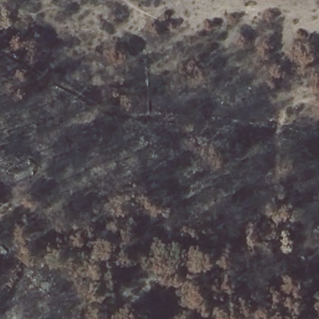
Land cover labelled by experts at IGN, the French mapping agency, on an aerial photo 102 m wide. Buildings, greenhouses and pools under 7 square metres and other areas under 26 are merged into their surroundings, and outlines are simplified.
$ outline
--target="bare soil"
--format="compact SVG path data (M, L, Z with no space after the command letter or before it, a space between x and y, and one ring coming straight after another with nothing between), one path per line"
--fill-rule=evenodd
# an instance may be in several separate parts
M314 250L309 257L300 255L300 258L293 259L294 265L290 269L300 274L300 283L312 279L310 287L319 287L319 121L300 113L303 111L303 103L315 101L313 87L299 86L292 90L290 80L298 70L298 64L290 61L287 55L292 51L293 40L297 37L309 42L314 61L305 67L315 67L315 72L319 76L319 0L0 0L0 77L7 80L10 74L14 74L32 92L31 96L26 97L24 101L19 100L19 103L14 105L7 93L0 90L0 218L9 216L16 207L24 206L31 212L34 211L37 217L46 218L47 224L55 226L61 218L74 217L79 212L92 213L98 204L105 206L110 201L107 196L111 193L111 184L127 186L137 182L145 183L148 202L152 206L169 209L169 216L164 218L166 231L171 231L177 226L206 226L213 229L212 239L221 238L223 229L232 224L240 226L249 222L253 214L267 204L272 207L273 212L278 212L284 207L288 214L292 214L290 222L299 222L304 226L304 248ZM103 56L103 47L110 44L116 45L115 60L118 60L118 55L127 55L122 64L115 69L112 62Z

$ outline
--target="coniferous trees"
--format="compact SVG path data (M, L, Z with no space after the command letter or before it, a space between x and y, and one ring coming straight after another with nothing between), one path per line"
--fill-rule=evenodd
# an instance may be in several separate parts
M14 105L19 103L19 100L24 101L26 97L31 96L32 92L14 74L10 74L7 80L0 77L0 90L7 93Z
M309 42L297 37L293 40L292 51L287 55L290 61L298 64L298 70L290 80L292 90L299 86L313 87L315 101L303 103L303 111L300 113L319 121L319 76L315 72L315 67L305 67L314 61Z
M111 184L111 193L107 196L110 201L105 206L98 204L92 213L79 212L74 217L61 218L55 226L47 224L46 218L37 217L34 211L31 212L24 206L16 207L9 216L0 218L0 319L319 319L319 287L310 287L312 279L300 283L300 274L290 269L294 265L293 259L300 258L300 255L309 257L314 250L304 248L304 226L299 222L290 222L292 214L288 214L284 207L278 212L273 212L272 207L267 204L253 214L249 222L240 226L232 224L223 229L221 238L212 239L213 229L206 226L177 226L171 231L166 231L164 218L169 216L169 209L152 206L148 202L145 183L137 182L127 186Z
M115 69L122 64L127 55L118 55L118 60L115 60L116 45L110 44L103 47L103 56L112 62Z

